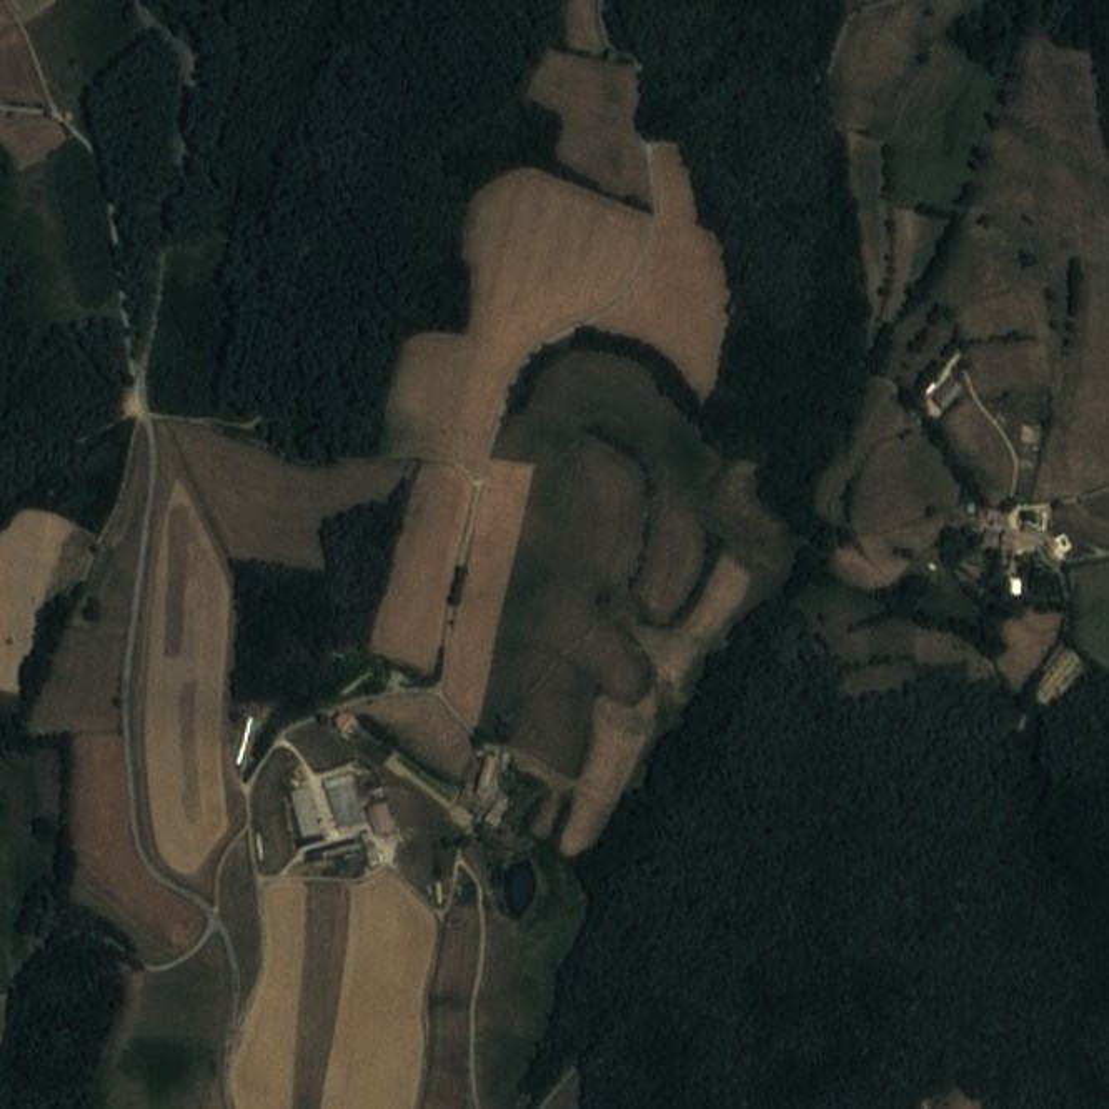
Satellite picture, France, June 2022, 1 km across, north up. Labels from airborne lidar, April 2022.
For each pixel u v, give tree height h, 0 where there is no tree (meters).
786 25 24
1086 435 0
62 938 16
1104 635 0
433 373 0
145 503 0
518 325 0
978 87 0
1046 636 0
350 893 0
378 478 0
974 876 20
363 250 27
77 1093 16
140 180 33
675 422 0
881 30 0
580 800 0
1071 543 0
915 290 22
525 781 9
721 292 0
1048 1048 13
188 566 0
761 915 20
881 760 19
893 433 0
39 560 0
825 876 24
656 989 20
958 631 15
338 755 0
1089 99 0
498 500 0
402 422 0
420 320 13
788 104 17
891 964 12
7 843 0
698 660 0
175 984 0
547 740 0
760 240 16
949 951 10
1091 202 0
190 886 0
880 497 0
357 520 13
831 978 13
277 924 0
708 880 19
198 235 32
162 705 0
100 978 12
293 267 32
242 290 35
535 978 0
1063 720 17
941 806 17
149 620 0
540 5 21
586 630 0
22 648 0
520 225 0
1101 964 10
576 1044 12
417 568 0
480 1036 0
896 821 19
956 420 0
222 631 0
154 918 0
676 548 0
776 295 16
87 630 0
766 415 11
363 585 14
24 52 0
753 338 13
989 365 0
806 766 22
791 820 21
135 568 0
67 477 12
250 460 0
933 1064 12
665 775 23
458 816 0
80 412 16
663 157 0
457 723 0
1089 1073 10
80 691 0
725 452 6
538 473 0
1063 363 0
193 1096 0
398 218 25
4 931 0
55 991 17
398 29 22
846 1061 9
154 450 0
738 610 0
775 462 19
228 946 0
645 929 19
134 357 9
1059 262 0
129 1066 0
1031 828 15
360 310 20
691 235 0
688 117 14
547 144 12
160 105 30
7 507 11
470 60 23
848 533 8
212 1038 0
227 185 19
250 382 29
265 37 21
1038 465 0
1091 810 9
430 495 0
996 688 11
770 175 19
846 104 0
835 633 0
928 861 19
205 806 0
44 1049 12
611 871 15
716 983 19
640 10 14
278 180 32
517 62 22
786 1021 8
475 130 14
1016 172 0
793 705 19
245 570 11
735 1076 14
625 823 16
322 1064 0
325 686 9
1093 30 17
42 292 0
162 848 0
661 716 0
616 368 0
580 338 10
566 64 0
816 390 9
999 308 0
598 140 0
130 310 21
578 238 0
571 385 0
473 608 0
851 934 14
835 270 12
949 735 17
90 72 0
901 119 0
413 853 0
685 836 19
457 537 0
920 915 15
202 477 0
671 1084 14
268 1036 0
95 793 0
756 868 20
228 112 22
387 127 24
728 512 0
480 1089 0
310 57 18
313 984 0
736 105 21
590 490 0
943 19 0
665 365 10
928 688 13
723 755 14
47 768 0
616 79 0
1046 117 0
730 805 21
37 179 0
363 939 0
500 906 6
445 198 15
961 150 0
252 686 11
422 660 0
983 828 19
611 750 0
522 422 0
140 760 0
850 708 19
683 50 16
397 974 0
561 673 0
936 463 0
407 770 0
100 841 0
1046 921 17
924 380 12
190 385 7
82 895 0
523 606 0
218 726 0
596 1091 17
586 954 16
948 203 0
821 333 16
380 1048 0
